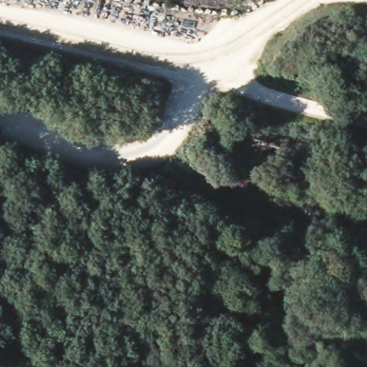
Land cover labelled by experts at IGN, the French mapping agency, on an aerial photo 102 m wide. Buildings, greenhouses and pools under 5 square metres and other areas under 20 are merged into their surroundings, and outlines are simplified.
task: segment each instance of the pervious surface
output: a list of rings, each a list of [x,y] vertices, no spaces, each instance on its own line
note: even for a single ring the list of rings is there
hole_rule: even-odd
[[[347,125],[347,140],[350,139],[361,149],[367,145],[367,119],[358,118]]]
[[[300,96],[268,89],[254,79],[254,70],[258,67],[265,43],[271,39],[272,34],[281,32],[292,20],[298,19],[318,4],[335,1],[356,3],[367,3],[367,0],[0,0],[0,36],[40,46],[59,47],[66,52],[116,63],[119,69],[128,66],[163,76],[172,83],[165,123],[162,126],[165,130],[155,133],[145,142],[115,145],[113,149],[106,143],[87,148],[82,143],[69,142],[56,130],[47,128],[43,120],[34,118],[27,110],[16,113],[0,110],[0,148],[4,146],[16,153],[13,161],[20,169],[26,168],[27,159],[46,161],[53,158],[57,161],[60,156],[70,156],[85,161],[96,158],[97,161],[109,165],[116,165],[120,161],[123,165],[128,165],[130,161],[132,163],[136,168],[146,171],[156,166],[178,178],[188,176],[192,169],[188,163],[176,158],[173,153],[188,136],[191,130],[189,123],[198,122],[204,108],[202,103],[211,93],[215,93],[216,90],[228,92],[237,89],[241,95],[259,102],[323,119],[327,119],[327,112],[323,106]]]

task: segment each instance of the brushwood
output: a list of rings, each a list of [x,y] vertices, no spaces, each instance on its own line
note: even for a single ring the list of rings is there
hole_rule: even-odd
[[[323,119],[259,102],[241,95],[237,89],[228,92],[231,93],[231,102],[234,103],[234,128],[245,135],[252,136],[252,140],[261,139],[264,142],[275,143],[280,149],[285,148],[284,156],[292,165],[287,175],[278,179],[278,188],[295,185],[297,189],[304,188],[307,191],[310,183],[305,179],[304,165],[311,156],[311,151],[307,139],[314,139],[314,130]]]
[[[320,17],[317,22],[308,24],[302,36],[295,42],[285,43],[282,47],[281,56],[275,62],[277,75],[274,77],[284,77],[291,82],[297,82],[300,96],[323,106],[330,97],[327,83],[324,82],[328,66],[340,69],[344,80],[341,85],[343,89],[356,86],[360,90],[367,90],[367,83],[363,79],[357,79],[358,60],[351,56],[358,44],[363,40],[367,42],[367,3],[356,3],[353,6],[353,14],[341,10],[340,13],[333,11],[331,16]]]

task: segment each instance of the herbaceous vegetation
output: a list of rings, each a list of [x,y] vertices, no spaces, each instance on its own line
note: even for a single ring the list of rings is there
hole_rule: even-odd
[[[272,34],[271,39],[265,43],[258,67],[254,70],[254,79],[268,89],[300,96],[297,82],[291,82],[284,77],[274,77],[277,75],[275,62],[281,56],[282,47],[285,43],[295,42],[302,36],[308,24],[317,22],[320,17],[331,16],[333,11],[340,13],[341,10],[353,14],[353,6],[356,3],[335,1],[318,4],[298,19],[292,20],[281,32]]]
[[[106,186],[109,186],[116,182],[115,175],[122,171],[123,165],[120,161],[116,165],[109,165],[97,161],[96,158],[85,161],[70,156],[60,156],[57,161],[57,171],[62,173],[63,183],[70,185],[75,182],[77,185],[77,204],[86,204],[93,211],[96,211],[99,201],[87,185],[90,173],[97,172],[102,175]]]
[[[186,202],[183,209],[185,212],[195,212],[195,205],[198,204],[214,206],[216,215],[225,224],[239,225],[242,252],[257,248],[261,239],[274,237],[280,249],[280,261],[290,259],[298,262],[308,261],[310,255],[305,247],[305,237],[311,221],[325,219],[327,212],[318,204],[298,206],[282,199],[274,201],[272,196],[251,182],[252,169],[261,166],[267,161],[268,156],[275,155],[275,151],[280,149],[275,143],[264,142],[261,139],[252,140],[252,136],[245,135],[244,139],[235,140],[229,148],[224,148],[218,130],[212,129],[205,133],[204,126],[212,108],[204,108],[198,122],[189,123],[191,130],[188,136],[173,153],[176,158],[188,163],[195,159],[194,152],[191,151],[192,146],[204,135],[204,148],[214,151],[216,155],[224,156],[225,168],[237,181],[237,185],[232,188],[214,188],[206,182],[201,173],[192,169],[188,176],[178,178],[156,166],[146,171],[136,168],[132,163],[132,175],[152,179],[151,186],[159,186],[159,192],[156,192],[155,196],[156,201],[161,204],[162,211],[181,205],[182,199]]]
[[[334,214],[337,227],[341,231],[348,227],[356,229],[357,235],[361,237],[358,239],[357,248],[367,251],[367,219],[351,218],[343,212]]]

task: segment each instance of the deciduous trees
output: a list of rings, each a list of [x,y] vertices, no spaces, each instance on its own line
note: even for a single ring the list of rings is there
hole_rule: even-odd
[[[358,44],[351,56],[358,60],[357,79],[363,79],[367,83],[367,42],[363,40]]]
[[[348,227],[341,231],[337,227],[334,214],[343,212],[351,218],[367,219],[367,145],[361,149],[350,139],[347,140],[347,125],[358,118],[367,119],[367,90],[360,90],[356,86],[343,89],[341,85],[344,80],[340,69],[328,66],[324,82],[327,83],[330,97],[323,106],[327,112],[327,119],[323,119],[314,130],[314,139],[307,139],[311,151],[311,156],[304,165],[305,179],[310,183],[307,191],[304,188],[297,189],[295,185],[278,188],[278,179],[287,175],[292,165],[284,156],[285,148],[280,149],[275,151],[275,155],[268,156],[267,161],[261,166],[252,169],[251,182],[272,196],[274,201],[282,199],[298,206],[318,204],[327,212],[325,219],[311,221],[305,237],[305,247],[310,255],[308,261],[298,262],[290,259],[280,261],[280,249],[274,237],[261,239],[257,248],[242,252],[239,225],[225,224],[216,215],[214,206],[198,204],[195,205],[195,212],[185,212],[183,209],[186,202],[182,199],[181,205],[162,211],[161,204],[156,201],[155,196],[156,192],[159,192],[159,186],[151,186],[152,179],[132,175],[132,163],[130,161],[128,165],[123,165],[122,171],[115,175],[116,182],[109,186],[106,186],[102,175],[97,172],[90,173],[87,185],[99,201],[96,211],[93,211],[86,204],[77,204],[77,185],[75,182],[70,185],[63,183],[62,173],[57,171],[57,161],[53,158],[46,161],[27,159],[26,168],[20,169],[13,161],[16,153],[4,146],[0,148],[0,367],[367,367],[367,251],[357,248],[358,239],[361,237],[357,235],[356,229]]]
[[[119,69],[116,63],[66,52],[59,47],[40,46],[0,36],[0,110],[16,113],[27,110],[34,118],[43,120],[47,128],[56,130],[69,142],[82,143],[87,148],[106,143],[113,149],[115,145],[145,142],[155,133],[165,130],[162,126],[165,123],[172,83],[163,76],[128,66]]]
[[[214,151],[204,148],[204,135],[192,146],[191,151],[194,152],[195,159],[188,163],[192,169],[201,173],[206,182],[214,188],[232,188],[237,185],[237,181],[225,168],[224,156],[216,155]]]
[[[228,92],[216,90],[215,93],[211,93],[202,103],[204,108],[212,108],[204,126],[205,133],[212,129],[218,130],[224,148],[229,148],[235,140],[244,139],[245,135],[234,128],[234,103],[231,102],[231,93]]]

